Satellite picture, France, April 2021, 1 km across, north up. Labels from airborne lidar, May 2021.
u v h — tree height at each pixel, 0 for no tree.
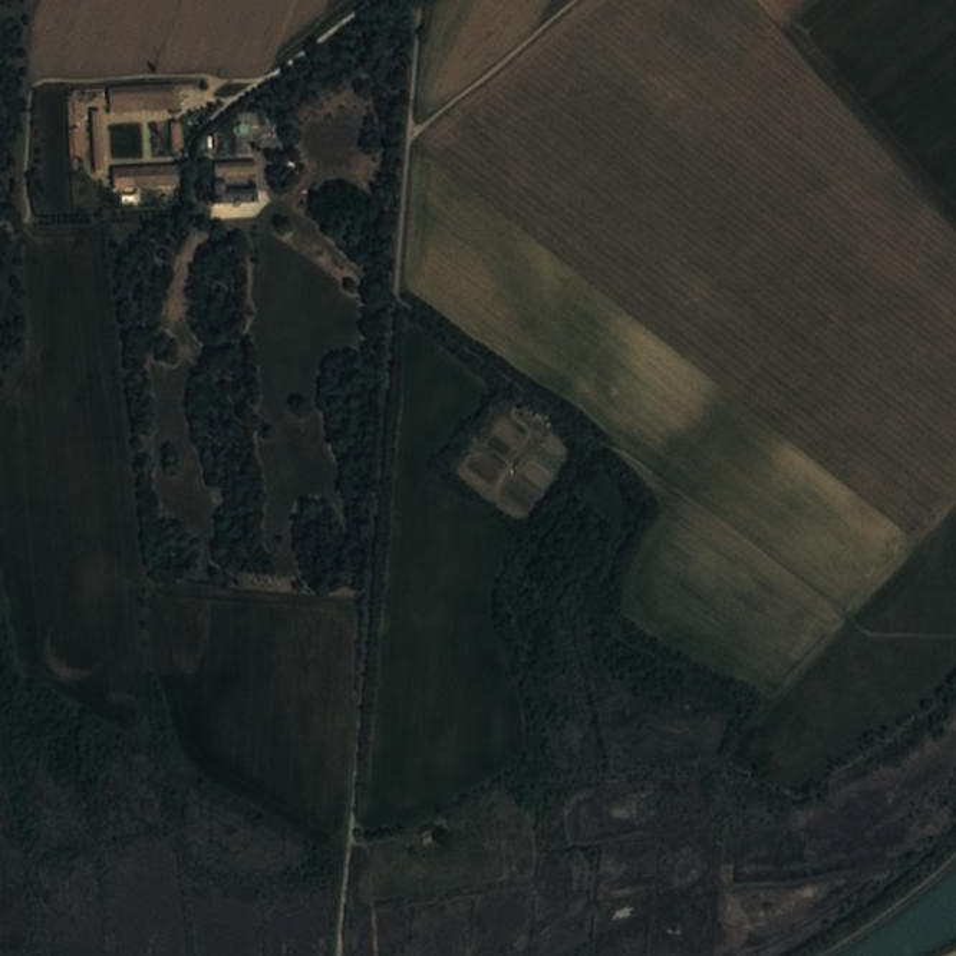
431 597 0
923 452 0
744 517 0
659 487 0
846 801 0
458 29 0
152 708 9
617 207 0
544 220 0
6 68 7
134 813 0
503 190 0
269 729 0
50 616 0
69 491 0
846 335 0
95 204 0
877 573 0
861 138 0
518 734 0
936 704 8
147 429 17
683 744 0
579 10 0
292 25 0
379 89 7
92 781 9
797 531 0
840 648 0
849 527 0
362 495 14
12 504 0
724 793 0
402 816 0
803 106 0
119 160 0
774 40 0
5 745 6
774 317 0
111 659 0
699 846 0
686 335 0
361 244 9
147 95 0
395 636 0
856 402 0
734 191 0
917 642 0
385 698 0
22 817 6
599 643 6
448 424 0
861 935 0
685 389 0
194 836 0
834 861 0
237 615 0
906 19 0
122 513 0
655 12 0
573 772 8
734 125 0
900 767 7
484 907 0
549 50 0
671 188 0
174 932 0
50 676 0
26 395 0
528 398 11
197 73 0
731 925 0
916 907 0
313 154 0
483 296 0
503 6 0
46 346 0
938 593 0
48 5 0
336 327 0
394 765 0
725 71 0
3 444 0
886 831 0
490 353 7
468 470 0
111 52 0
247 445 8
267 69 0
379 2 13
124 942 0
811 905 0
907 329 0
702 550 0
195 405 10
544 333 0
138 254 14
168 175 0
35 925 6
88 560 0
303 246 0
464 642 0
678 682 9
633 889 0
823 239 0
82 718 10
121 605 0
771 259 0
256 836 0
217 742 0
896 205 0
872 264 0
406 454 0
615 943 0
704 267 0
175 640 0
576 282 0
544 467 0
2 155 9
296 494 0
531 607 8
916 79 0
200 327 12
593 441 16
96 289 0
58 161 0
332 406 16
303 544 13
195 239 0
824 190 0
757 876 0
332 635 0
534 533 10
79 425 0
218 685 0
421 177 0
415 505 0
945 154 0
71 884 0
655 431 0
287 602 0
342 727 0
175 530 12
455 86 0
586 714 7
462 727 0
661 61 0
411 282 0
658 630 0
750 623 0
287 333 0
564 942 0
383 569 7
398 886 0
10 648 7
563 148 0
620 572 12
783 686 0
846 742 0
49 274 0
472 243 0
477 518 0
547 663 11
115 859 0
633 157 0
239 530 9
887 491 0
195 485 0
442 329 8
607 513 0
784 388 0
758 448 0
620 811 0
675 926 0
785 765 0
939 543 0
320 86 13
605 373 0
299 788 0
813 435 0
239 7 0
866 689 0
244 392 10
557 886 0
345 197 16
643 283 0
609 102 0
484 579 0
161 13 0
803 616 0
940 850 6
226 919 0
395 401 11
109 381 0
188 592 0
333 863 6
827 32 0
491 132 0
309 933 0
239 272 14
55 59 0
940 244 0
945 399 0
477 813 0
